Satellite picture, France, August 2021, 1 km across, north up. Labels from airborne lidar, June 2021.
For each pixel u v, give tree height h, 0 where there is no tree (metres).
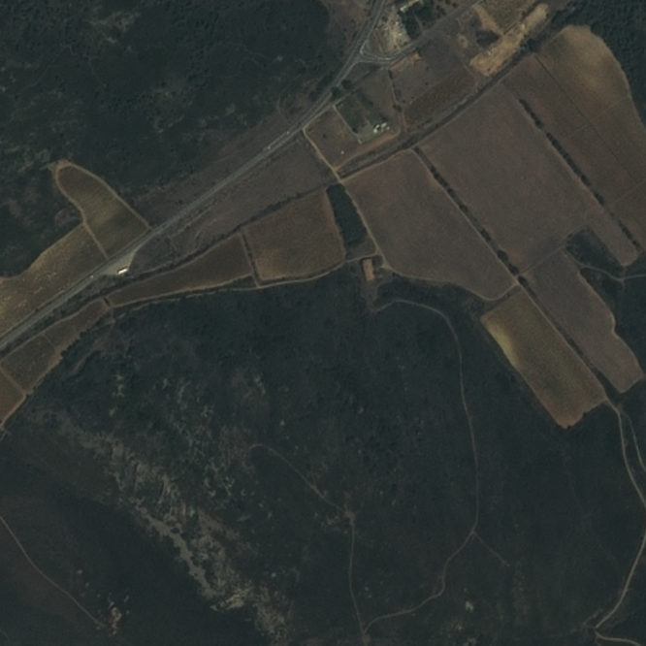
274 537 0
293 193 0
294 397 0
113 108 7
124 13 0
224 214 0
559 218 0
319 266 0
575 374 0
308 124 0
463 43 0
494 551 0
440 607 0
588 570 0
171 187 0
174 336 0
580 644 0
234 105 0
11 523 0
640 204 0
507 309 0
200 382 0
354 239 10
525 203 0
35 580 0
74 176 0
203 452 0
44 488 0
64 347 0
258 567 0
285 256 0
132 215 0
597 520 0
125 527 0
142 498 0
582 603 0
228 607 0
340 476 0
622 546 0
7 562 0
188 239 0
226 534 0
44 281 0
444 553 0
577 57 0
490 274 0
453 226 0
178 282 0
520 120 0
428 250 0
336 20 0
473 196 0
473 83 0
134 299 0
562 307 0
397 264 0
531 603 0
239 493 0
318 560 0
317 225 0
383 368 0
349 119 0
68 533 0
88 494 0
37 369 0
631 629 0
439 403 0
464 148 0
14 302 0
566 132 0
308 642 0
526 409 0
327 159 0
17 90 0
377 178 0
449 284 0
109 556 0
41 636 0
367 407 6
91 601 0
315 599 0
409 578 0
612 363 0
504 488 0
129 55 0
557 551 0
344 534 0
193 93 0
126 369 8
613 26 7
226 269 0
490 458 0
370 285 0
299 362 0
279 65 0
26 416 0
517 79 0
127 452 0
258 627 0
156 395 0
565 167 0
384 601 0
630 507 0
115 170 0
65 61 0
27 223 0
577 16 15
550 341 0
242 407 0
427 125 0
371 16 0
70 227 0
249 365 0
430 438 0
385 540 0
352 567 0
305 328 0
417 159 0
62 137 7
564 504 0
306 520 0
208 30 8
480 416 0
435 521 0
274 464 0
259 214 0
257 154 0
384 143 0
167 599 0
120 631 0
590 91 0
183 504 0
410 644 0
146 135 0
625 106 0
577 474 0
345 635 0
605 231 0
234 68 0
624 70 8
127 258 0
